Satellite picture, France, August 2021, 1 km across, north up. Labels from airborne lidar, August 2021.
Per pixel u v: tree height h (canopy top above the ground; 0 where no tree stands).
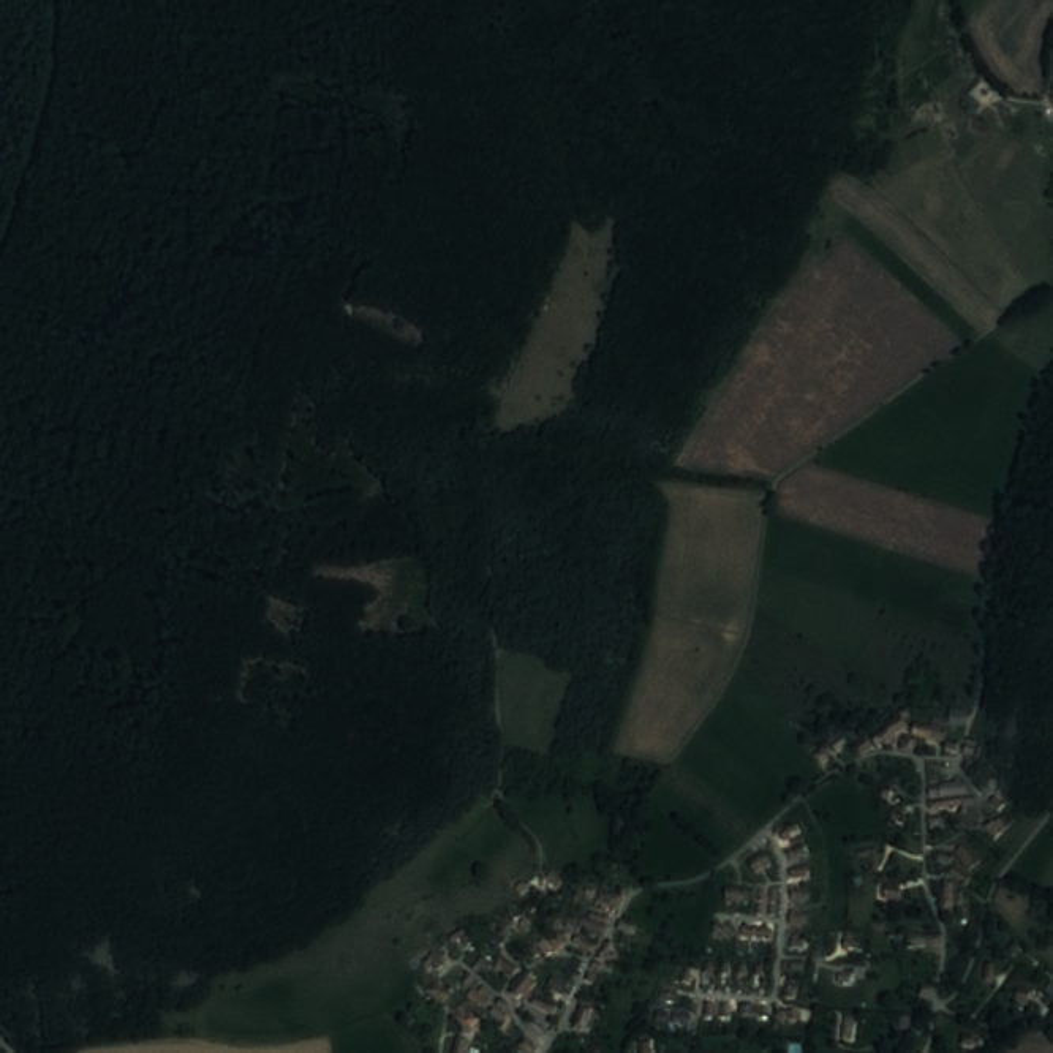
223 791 16
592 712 8
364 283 18
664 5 17
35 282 15
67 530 12
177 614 21
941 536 0
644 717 0
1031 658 9
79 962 11
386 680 20
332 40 29
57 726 21
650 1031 13
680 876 0
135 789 23
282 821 17
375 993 0
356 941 0
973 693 15
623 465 11
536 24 9
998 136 0
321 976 0
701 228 19
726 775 0
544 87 17
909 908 9
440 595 14
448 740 14
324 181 31
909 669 6
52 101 15
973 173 0
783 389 0
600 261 0
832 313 0
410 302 19
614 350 17
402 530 8
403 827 8
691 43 19
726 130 28
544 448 23
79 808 21
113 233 30
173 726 25
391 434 26
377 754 21
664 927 9
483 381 6
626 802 11
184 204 29
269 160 24
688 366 16
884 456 0
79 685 20
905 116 0
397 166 12
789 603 0
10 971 15
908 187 0
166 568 8
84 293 13
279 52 25
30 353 22
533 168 23
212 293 29
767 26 18
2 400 19
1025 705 5
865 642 0
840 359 0
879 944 0
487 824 0
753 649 0
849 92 14
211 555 6
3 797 21
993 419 0
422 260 21
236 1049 0
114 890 11
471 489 22
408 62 20
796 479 0
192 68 25
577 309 0
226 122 29
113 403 21
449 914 0
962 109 0
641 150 24
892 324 0
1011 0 0
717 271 21
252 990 0
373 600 19
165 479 23
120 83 13
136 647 10
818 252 0
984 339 0
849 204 0
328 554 11
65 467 18
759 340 0
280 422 11
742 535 0
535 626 13
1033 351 0
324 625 24
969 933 8
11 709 19
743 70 16
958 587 0
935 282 0
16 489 25
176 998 8
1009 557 21
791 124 24
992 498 0
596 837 0
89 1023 7
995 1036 16
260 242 8
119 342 32
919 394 0
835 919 0
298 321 11
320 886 13
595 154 24
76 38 22
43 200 24
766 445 0
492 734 11
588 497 20
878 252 0
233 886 12
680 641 0
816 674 0
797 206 12
